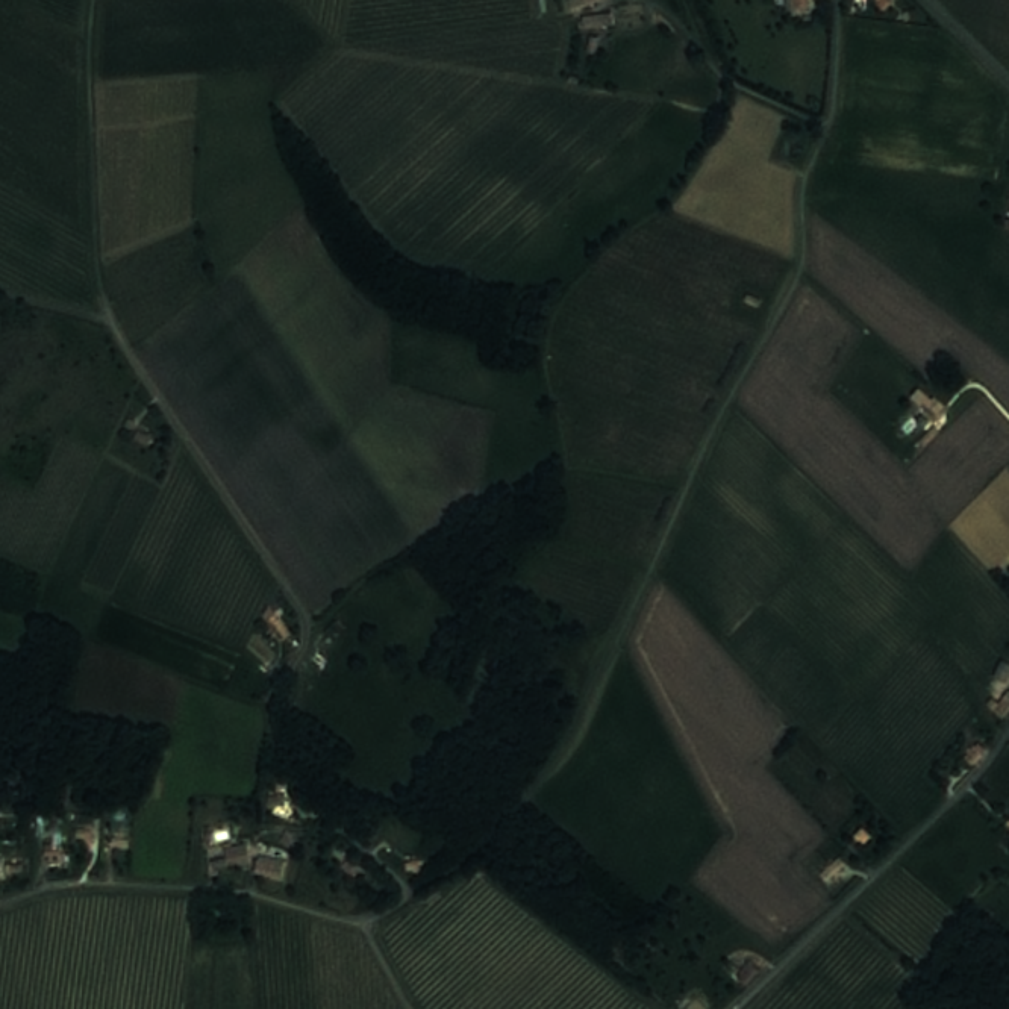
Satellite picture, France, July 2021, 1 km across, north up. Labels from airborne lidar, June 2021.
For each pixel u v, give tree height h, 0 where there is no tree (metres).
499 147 0
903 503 0
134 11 0
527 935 0
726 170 0
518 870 20
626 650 0
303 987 0
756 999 0
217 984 0
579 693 0
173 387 0
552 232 0
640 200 0
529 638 23
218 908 6
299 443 0
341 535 0
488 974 0
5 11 0
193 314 0
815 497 0
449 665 9
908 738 0
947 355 10
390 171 0
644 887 0
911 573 0
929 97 0
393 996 0
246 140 0
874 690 0
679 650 0
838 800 0
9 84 0
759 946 0
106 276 0
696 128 0
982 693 0
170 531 0
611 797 0
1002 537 0
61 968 0
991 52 0
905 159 0
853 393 0
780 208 0
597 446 0
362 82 0
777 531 0
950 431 0
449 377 0
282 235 0
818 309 0
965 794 0
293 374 0
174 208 0
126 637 0
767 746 0
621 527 0
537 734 23
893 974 0
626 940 9
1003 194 0
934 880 0
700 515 0
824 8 15
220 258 0
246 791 0
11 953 0
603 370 0
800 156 10
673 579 0
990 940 19
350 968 0
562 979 0
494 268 0
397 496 0
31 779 23
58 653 20
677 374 0
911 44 0
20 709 19
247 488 0
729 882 0
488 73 0
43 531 0
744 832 0
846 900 0
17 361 0
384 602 0
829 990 0
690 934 0
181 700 0
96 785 14
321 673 0
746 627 0
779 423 0
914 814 0
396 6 0
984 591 0
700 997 0
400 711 0
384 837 0
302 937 0
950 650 0
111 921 0
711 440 0
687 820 0
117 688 0
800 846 0
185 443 0
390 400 0
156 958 0
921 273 0
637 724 0
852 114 0
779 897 0
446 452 0
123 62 0
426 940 0
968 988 18
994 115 0
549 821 11
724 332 0
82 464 0
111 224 0
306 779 18
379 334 0
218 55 0
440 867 15
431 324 13
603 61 10
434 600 0
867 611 0
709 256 0
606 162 0
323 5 0
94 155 0
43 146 0
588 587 0
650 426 0
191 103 0
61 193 0
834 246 0
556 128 0
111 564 0
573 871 16
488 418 0
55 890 0
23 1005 0
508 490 19
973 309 0
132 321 0
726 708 0
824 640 0
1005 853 0
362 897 14
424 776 24
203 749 0
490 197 0
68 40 0
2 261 0
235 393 0
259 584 0
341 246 20
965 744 7
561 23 0
